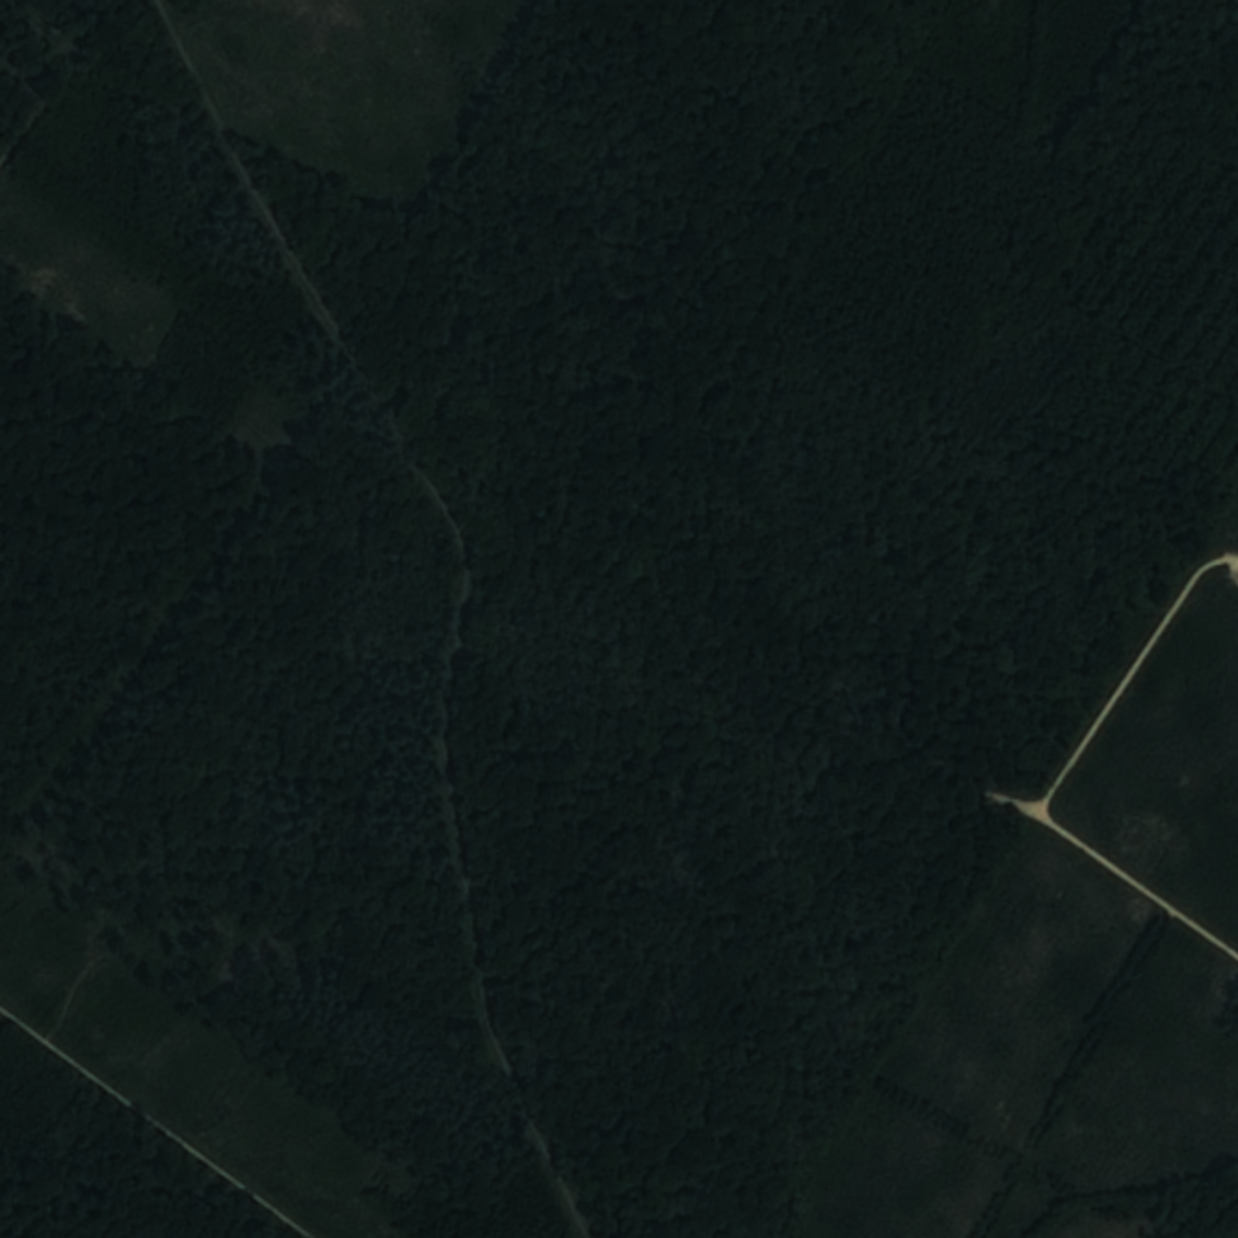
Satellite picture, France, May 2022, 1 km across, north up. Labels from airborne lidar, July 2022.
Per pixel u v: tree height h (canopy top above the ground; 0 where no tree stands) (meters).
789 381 20
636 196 25
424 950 22
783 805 21
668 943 19
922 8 20
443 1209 11
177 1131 0
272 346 7
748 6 28
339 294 23
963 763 30
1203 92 22
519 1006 24
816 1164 8
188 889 26
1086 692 17
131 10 21
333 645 22
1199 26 23
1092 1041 10
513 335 26
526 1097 22
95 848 30
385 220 25
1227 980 0
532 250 27
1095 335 20
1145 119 26
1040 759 18
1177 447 12
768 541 22
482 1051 24
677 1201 21
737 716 24
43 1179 31
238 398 6
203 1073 0
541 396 29
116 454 26
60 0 27
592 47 26
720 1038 19
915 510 24
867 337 19
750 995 26
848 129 25
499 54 0
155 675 27
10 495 30
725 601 27
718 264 28
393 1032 30
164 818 28
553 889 20
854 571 19
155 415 27
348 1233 0
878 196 14
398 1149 20
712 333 28
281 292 10
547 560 24
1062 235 22
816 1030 23
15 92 29
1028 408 18
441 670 34
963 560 20
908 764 28
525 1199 10
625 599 25
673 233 19
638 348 7
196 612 22
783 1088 19
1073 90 8
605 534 17
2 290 28
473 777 20
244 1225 9
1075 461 22
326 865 31
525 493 31
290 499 27
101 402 27
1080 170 21
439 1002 25
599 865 27
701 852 23
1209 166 16
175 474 29
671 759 29
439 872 24
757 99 23
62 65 25
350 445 25
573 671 23
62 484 25
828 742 16
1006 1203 6
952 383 18
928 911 25
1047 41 12
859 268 21
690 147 21
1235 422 15
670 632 23
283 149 0
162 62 20
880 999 22
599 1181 26
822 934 20
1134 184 9
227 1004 29
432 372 25
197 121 25
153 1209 24
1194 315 18
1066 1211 10
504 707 24
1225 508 20
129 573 26
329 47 0
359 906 10
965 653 22
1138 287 17
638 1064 21
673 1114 22
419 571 19
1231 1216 23
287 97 0
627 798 20
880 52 21
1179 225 17
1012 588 19
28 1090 18
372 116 0
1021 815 10
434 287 26
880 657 15
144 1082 0
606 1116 24
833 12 22
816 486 25
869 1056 18
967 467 20
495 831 27
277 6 0
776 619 26
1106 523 10
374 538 26
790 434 23
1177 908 0
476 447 19
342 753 27
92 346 18
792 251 28
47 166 9
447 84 0
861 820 27
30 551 27
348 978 28
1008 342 12
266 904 25
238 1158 0
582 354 25
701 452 29
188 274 12
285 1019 29
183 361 6
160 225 22
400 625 22
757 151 25
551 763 25
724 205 23
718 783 17
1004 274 15
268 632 24
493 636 21
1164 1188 19
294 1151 0
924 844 24
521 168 23
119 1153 23
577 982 23
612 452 26
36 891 29
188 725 30
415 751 28
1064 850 0
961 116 16
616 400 27
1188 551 24
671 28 24
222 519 27
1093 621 21
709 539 16
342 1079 22
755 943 24
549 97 26
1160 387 15
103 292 0
